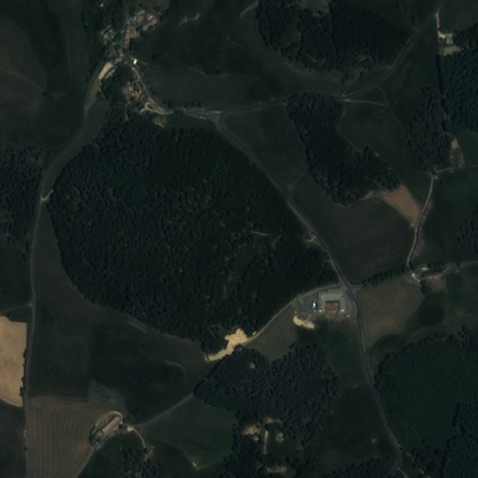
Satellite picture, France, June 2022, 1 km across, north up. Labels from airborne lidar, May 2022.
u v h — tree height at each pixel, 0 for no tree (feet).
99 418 0
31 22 0
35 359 0
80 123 0
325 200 0
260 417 97
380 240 0
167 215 67
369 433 0
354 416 0
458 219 0
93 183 51
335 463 0
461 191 0
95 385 0
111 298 38
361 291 0
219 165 70
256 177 61
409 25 0
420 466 34
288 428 84
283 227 42
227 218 43
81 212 55
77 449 0
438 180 0
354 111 0
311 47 49
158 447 0
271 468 53
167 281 61
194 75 0
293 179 0
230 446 0
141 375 0
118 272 91
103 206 90
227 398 112
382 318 0
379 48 76
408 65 0
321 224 0
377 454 0
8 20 0
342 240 0
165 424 0
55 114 0
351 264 0
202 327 62
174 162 67
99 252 57
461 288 0
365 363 0
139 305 107
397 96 0
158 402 0
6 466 0
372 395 0
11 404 0
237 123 0
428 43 0
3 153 0
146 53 0
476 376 30
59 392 0
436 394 28
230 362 59
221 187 57
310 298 0
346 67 60
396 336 0
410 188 0
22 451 0
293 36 0
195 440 0
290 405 89
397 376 29
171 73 0
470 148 0
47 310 0
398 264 0
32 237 0
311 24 84
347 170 83
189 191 47
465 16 0
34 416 0
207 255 54
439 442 32
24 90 0
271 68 0
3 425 0
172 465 0
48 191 0
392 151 0
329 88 0
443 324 0
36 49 0
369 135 0
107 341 0
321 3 0
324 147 81
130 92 0
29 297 0
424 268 0
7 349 0
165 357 0
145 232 55
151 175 68
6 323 0
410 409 28
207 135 34
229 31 0
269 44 62
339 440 0
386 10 0
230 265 41
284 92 0
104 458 0
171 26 0
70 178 70
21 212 66
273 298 59
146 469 50
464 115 91
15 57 0
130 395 0
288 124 0
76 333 0
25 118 0
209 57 0
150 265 60
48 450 0
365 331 0
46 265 0
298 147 0
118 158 53
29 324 0
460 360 24
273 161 0
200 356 0
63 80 0
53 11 0
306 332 0
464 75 99
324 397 41
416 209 0
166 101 40
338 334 0
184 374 0
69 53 0
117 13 21
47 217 0
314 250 25
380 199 0
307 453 32
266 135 0
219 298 47
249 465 65
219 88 0
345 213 0
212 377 70
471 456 104
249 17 0
